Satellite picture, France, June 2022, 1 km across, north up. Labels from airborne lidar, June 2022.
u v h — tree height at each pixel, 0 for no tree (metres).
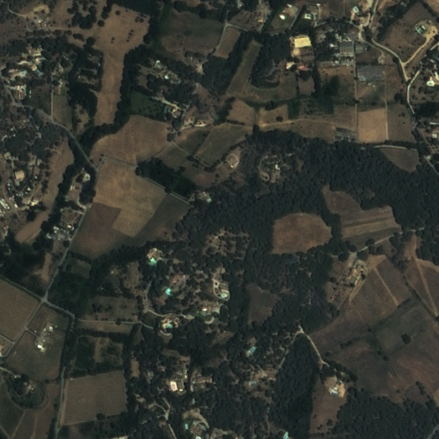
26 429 0
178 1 11
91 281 11
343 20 10
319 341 0
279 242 0
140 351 10
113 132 14
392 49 0
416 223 10
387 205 8
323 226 0
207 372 12
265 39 15
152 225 0
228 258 11
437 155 14
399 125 0
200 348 13
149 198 0
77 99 11
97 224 0
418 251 9
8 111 13
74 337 12
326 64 0
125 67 8
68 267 11
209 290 0
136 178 0
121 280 6
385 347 0
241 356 10
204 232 10
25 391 11
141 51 13
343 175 11
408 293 0
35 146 14
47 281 0
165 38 0
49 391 0
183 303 10
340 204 0
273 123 0
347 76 0
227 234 7
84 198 25
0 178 7
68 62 13
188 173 0
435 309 0
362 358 0
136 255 9
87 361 7
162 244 8
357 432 10
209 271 8
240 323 7
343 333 0
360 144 11
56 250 0
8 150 9
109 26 0
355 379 10
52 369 0
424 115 9
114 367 8
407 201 11
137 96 0
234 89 0
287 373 12
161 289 10
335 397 0
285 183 11
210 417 7
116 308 0
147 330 14
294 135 16
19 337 0
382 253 9
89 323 0
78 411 0
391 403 8
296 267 10
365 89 0
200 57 10
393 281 0
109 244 0
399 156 0
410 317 0
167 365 9
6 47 10
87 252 0
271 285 11
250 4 15
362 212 0
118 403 0
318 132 0
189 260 11
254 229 11
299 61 12
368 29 11
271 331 11
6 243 15
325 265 11
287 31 11
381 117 0
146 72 0
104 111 0
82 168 15
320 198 13
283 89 0
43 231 8
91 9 12
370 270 0
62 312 8
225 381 9
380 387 0
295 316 12
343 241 10
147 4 13
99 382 0
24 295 0
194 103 7
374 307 0
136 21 6
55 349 0
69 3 0
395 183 15
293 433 9
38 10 0
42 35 11
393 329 0
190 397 9
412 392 0
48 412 0
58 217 15
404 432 10
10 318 0
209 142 0
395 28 0
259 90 0
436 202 12
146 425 8
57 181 0
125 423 9
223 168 0
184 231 10
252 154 8
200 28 0
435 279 0
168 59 11
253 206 12
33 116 15
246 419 10
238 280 14
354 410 10
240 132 0
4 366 7
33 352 0
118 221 0
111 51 0
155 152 0
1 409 0
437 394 0
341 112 0
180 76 9
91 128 7
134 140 0
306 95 7
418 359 0
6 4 10
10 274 8
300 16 9
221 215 10
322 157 17
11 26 0
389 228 0
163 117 13
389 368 0
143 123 0
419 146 15
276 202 12
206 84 11
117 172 0
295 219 0
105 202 0
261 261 8
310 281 12
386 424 9
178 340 15
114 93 0
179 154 0
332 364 13
